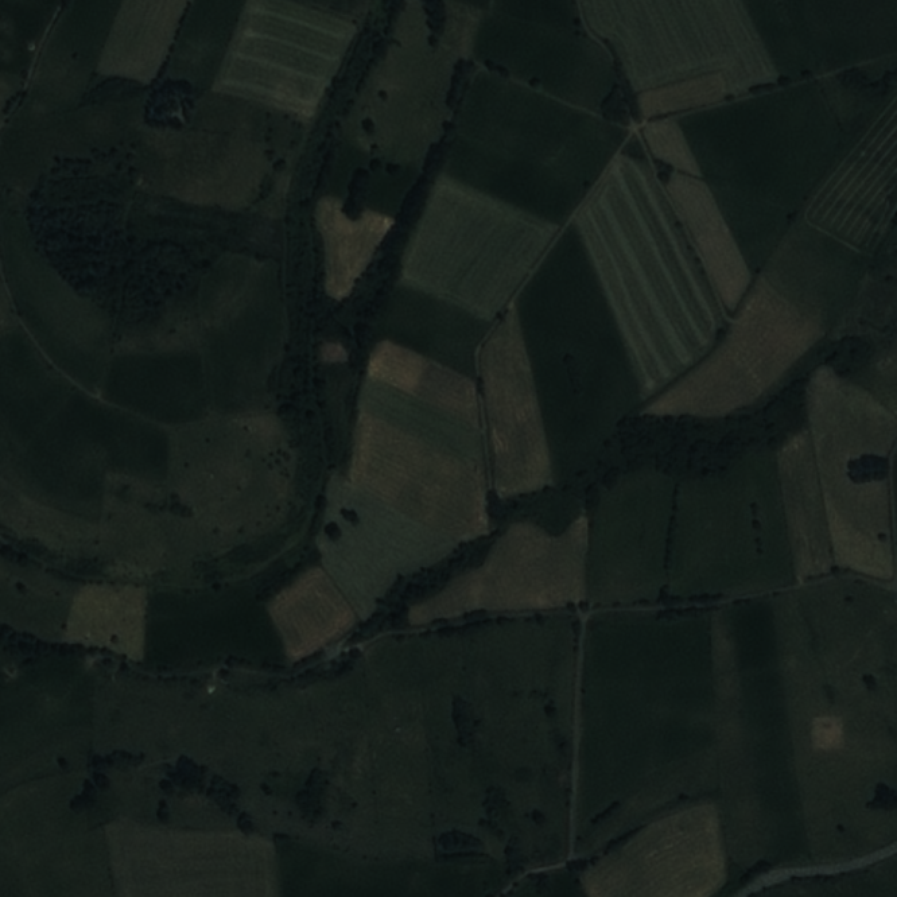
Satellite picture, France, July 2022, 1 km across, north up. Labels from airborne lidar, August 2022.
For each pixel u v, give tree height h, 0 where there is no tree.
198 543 0
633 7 0
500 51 0
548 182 0
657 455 7
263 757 0
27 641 11
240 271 0
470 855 6
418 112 0
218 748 0
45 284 0
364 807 0
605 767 0
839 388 0
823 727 0
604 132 0
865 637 0
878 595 0
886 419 0
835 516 0
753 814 0
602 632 0
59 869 0
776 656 0
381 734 0
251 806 0
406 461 0
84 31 0
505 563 0
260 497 0
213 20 0
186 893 0
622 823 0
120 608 0
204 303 0
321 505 15
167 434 0
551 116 0
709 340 0
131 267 12
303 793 9
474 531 0
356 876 0
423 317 0
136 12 0
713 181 0
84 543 0
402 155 0
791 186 0
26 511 0
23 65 0
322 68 0
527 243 0
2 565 0
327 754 0
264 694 0
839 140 0
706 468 7
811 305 0
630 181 0
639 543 0
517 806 0
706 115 0
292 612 0
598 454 0
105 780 18
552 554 0
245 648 0
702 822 0
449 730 0
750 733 0
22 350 0
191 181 0
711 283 0
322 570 0
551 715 12
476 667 0
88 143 0
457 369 0
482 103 0
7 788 0
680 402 0
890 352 0
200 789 8
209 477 0
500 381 0
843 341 6
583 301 0
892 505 0
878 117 0
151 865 0
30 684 0
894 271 0
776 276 0
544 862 0
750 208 0
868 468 20
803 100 0
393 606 7
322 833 0
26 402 0
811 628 0
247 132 0
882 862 0
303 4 0
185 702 0
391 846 0
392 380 0
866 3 0
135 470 0
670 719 0
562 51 0
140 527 0
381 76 0
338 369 0
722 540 0
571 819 0
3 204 0
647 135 0
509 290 0
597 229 0
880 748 0
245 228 0
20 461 0
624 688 0
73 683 0
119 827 0
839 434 0
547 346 0
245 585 0
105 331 0
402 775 0
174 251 12
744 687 0
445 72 0
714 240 0
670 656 0
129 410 0
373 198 0
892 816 0
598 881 0
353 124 0
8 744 0
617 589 0
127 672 14
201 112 0
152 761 0
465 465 0
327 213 0
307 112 0
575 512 0
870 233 0
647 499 0
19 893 0
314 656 6
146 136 0
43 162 0
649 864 0
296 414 7
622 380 0
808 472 0
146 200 0
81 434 0
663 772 0
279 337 0
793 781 0
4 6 0
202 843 0
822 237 0
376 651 0
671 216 0
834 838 0
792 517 0
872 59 0
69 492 0
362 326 18
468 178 0
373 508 0
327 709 0
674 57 0
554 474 0
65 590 0
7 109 8
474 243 0
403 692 0
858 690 0
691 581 0
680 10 0
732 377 0
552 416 0
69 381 0
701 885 0
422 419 0
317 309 20
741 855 0
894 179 0
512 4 0
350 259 0
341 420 0
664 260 0
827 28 0
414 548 0
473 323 0
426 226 0
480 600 0
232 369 0
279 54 0
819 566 0
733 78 0
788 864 0
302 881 0
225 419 0
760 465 0
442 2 25
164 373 0
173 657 0
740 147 0
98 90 7
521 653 0
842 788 0
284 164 10
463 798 0
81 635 0
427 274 0
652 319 0
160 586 0
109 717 0
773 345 0
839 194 0
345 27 0
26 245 0
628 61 0
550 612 0
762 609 0
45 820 0
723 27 0
